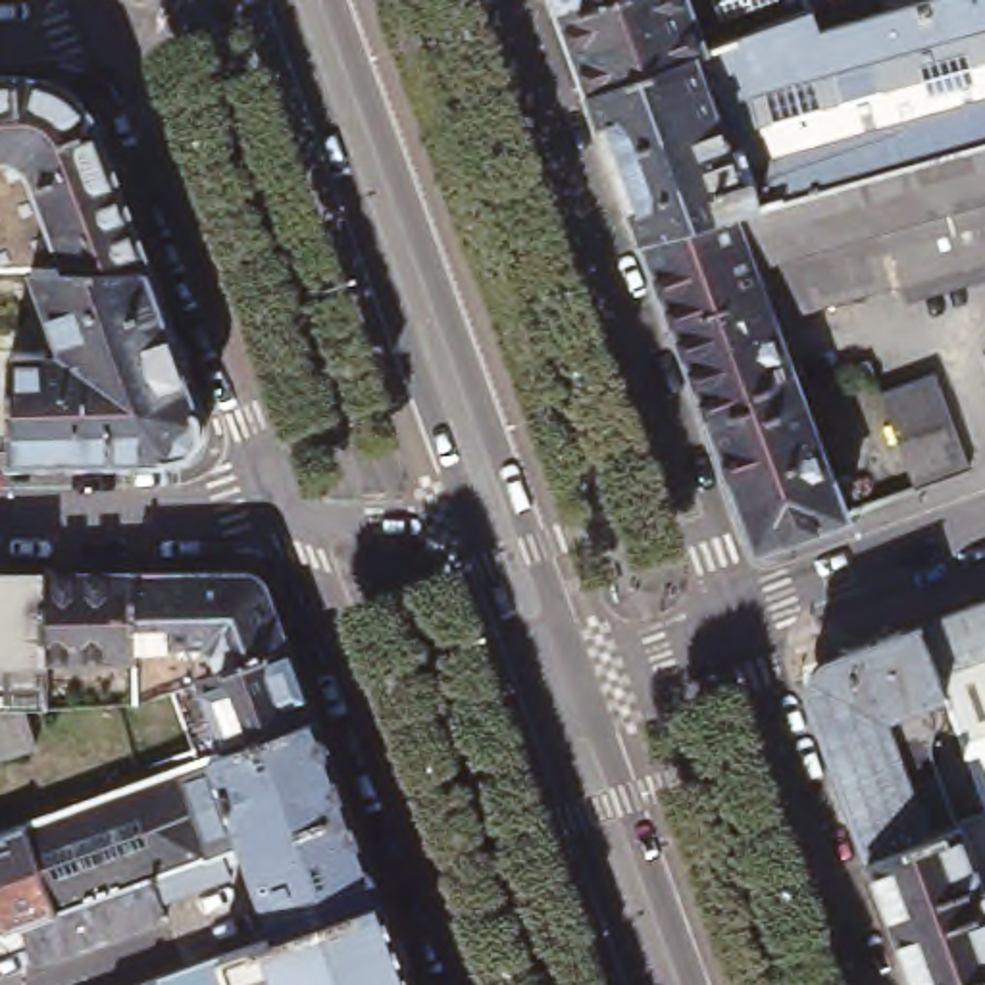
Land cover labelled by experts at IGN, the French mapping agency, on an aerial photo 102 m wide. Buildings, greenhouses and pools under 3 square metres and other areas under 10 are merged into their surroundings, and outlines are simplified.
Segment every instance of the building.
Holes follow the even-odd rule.
[[[846,870],[858,893],[866,893],[881,916],[881,923],[873,927],[873,947],[900,962],[900,985],[985,985],[985,881],[970,866],[966,850],[950,843],[923,843],[897,858],[873,862],[870,843],[912,796],[904,762],[893,743],[893,727],[904,727],[912,716],[950,712],[954,735],[966,743],[966,762],[977,762],[985,770],[985,604],[943,619],[954,654],[950,681],[935,677],[923,635],[908,631],[827,662],[820,669],[820,681],[800,689],[800,731],[816,731],[820,746],[827,750],[827,762],[820,762],[816,781],[827,789],[839,823],[854,839],[854,862]]]
[[[973,462],[958,450],[950,435],[939,385],[923,377],[889,392],[870,389],[858,400],[870,435],[858,450],[858,481],[843,489],[843,481],[827,469],[823,435],[812,416],[804,381],[796,366],[781,358],[785,331],[762,281],[770,262],[750,223],[731,227],[712,219],[712,200],[693,146],[704,139],[723,139],[731,150],[746,154],[754,196],[762,204],[800,200],[823,189],[843,189],[916,162],[985,146],[985,0],[550,0],[546,12],[566,15],[566,38],[581,65],[585,92],[596,108],[596,119],[585,127],[589,185],[604,212],[616,208],[623,215],[639,215],[635,231],[646,246],[658,296],[677,335],[677,342],[666,354],[673,358],[681,385],[696,385],[704,419],[723,450],[727,481],[754,550],[816,543],[816,531],[843,523],[843,512],[904,489],[931,489],[954,481],[970,473]]]
[[[246,650],[246,639],[262,623],[273,631],[273,643],[285,643],[285,619],[262,573],[115,569],[65,573],[46,581],[31,573],[0,577],[0,723],[27,720],[35,712],[46,712],[42,673],[58,673],[58,693],[69,689],[69,681],[112,685],[131,669],[135,658],[165,658],[165,646],[208,654],[208,669],[200,669],[200,693],[215,700],[212,720],[223,739],[212,743],[215,758],[189,758],[173,766],[0,831],[0,935],[15,931],[27,939],[54,920],[58,908],[73,908],[85,897],[108,889],[154,881],[162,877],[162,870],[185,866],[192,858],[212,858],[223,850],[239,854],[235,870],[246,877],[258,912],[319,904],[354,881],[362,889],[373,889],[373,877],[358,862],[358,843],[346,831],[339,793],[327,777],[327,754],[316,743],[316,735],[292,731],[285,739],[273,739],[262,727],[262,720],[277,708],[296,708],[304,693],[296,685],[292,662],[265,662]]]
[[[389,950],[389,931],[377,923],[377,916],[358,916],[350,923],[316,931],[308,939],[273,947],[254,958],[208,958],[146,985],[404,985],[396,954]]]
[[[42,92],[31,77],[8,77],[0,85],[0,254],[15,265],[31,265],[23,277],[23,300],[35,304],[35,319],[50,339],[35,354],[12,346],[4,366],[8,412],[23,416],[23,442],[15,442],[12,450],[27,473],[96,473],[104,454],[112,454],[119,466],[165,466],[177,435],[189,427],[189,419],[196,419],[196,396],[181,381],[169,346],[150,342],[150,331],[165,327],[165,312],[150,281],[150,262],[139,242],[131,242],[131,212],[115,208],[115,177],[104,173],[96,146],[81,142],[73,131],[77,112],[65,100]]]

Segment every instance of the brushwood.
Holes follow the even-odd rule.
[[[69,681],[69,689],[58,693],[58,673],[42,673],[46,712],[35,712],[27,720],[35,739],[38,727],[46,731],[58,723],[62,708],[112,708],[127,696],[112,685]]]

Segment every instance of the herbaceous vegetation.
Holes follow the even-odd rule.
[[[0,762],[0,831],[173,766],[173,754],[185,750],[185,735],[173,720],[173,700],[158,696],[139,700],[139,708],[131,708],[127,696],[112,708],[62,708],[58,723],[46,731],[38,727],[35,739],[27,754]]]

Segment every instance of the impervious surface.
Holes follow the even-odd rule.
[[[223,739],[212,720],[215,700],[200,693],[200,669],[208,669],[208,654],[165,646],[165,658],[135,658],[131,669],[112,685],[127,696],[131,708],[139,708],[139,700],[158,696],[173,700],[173,720],[185,735],[185,750],[173,754],[173,766],[189,758],[215,758],[212,743]]]
[[[327,777],[339,793],[346,831],[358,843],[358,862],[373,877],[373,889],[362,889],[354,881],[319,904],[258,912],[246,877],[235,870],[239,854],[223,850],[212,858],[192,858],[185,866],[162,870],[162,877],[154,881],[108,889],[85,897],[73,908],[58,908],[54,920],[27,939],[15,931],[0,935],[0,985],[146,985],[208,958],[254,958],[273,947],[308,939],[316,931],[350,923],[358,916],[377,916],[377,923],[389,931],[389,950],[396,954],[404,985],[473,985],[450,931],[450,908],[439,893],[439,866],[423,850],[423,839],[408,812],[408,796],[392,773],[381,727],[346,662],[331,612],[350,608],[358,596],[366,604],[381,604],[385,596],[400,593],[408,596],[412,589],[431,585],[439,577],[458,581],[477,619],[477,631],[485,635],[485,662],[500,708],[512,731],[519,735],[527,781],[546,820],[566,885],[581,908],[600,985],[723,985],[708,954],[700,912],[693,904],[693,893],[685,889],[677,850],[658,816],[658,789],[677,789],[681,781],[673,766],[650,762],[646,743],[662,735],[685,708],[704,704],[720,693],[739,693],[750,716],[758,758],[770,773],[785,835],[800,854],[808,893],[820,904],[827,954],[843,985],[900,985],[900,962],[873,947],[873,927],[881,923],[881,916],[866,893],[858,893],[846,870],[854,862],[854,839],[839,823],[827,789],[816,781],[820,762],[827,762],[827,750],[820,746],[816,731],[800,731],[800,689],[820,681],[820,669],[827,662],[908,631],[923,635],[935,677],[950,681],[954,654],[943,619],[985,604],[985,146],[916,162],[843,189],[823,189],[800,200],[762,204],[754,196],[746,154],[731,150],[723,139],[704,139],[693,146],[712,200],[712,219],[731,227],[750,223],[770,262],[762,281],[785,331],[781,358],[796,366],[804,381],[812,416],[823,435],[827,469],[843,481],[843,489],[858,481],[858,450],[870,435],[858,400],[870,389],[889,392],[923,377],[939,385],[950,435],[958,450],[973,462],[970,473],[954,481],[931,489],[904,489],[843,512],[843,523],[816,531],[816,543],[754,550],[727,481],[723,450],[704,419],[696,385],[681,385],[673,358],[666,354],[677,342],[677,335],[658,296],[646,246],[635,231],[639,215],[623,215],[616,208],[604,212],[589,185],[585,127],[596,119],[596,108],[585,92],[581,65],[566,38],[566,15],[546,12],[550,0],[477,0],[496,38],[531,150],[539,158],[543,185],[550,189],[550,200],[558,208],[558,223],[569,242],[577,277],[604,331],[604,346],[616,362],[616,373],[623,377],[627,404],[639,416],[639,427],[650,442],[650,462],[662,469],[666,508],[681,512],[677,527],[685,539],[685,554],[669,569],[635,573],[627,566],[608,589],[585,593],[569,550],[577,539],[589,539],[589,550],[596,554],[608,550],[612,562],[623,562],[623,546],[616,543],[616,531],[604,512],[600,477],[596,469],[585,469],[577,477],[581,504],[589,508],[589,531],[562,527],[558,519],[558,508],[531,454],[531,435],[512,392],[512,377],[493,339],[489,312],[454,242],[442,192],[419,146],[419,127],[404,100],[396,65],[385,50],[373,0],[0,0],[0,85],[8,77],[31,77],[42,92],[65,100],[77,112],[73,131],[81,142],[96,146],[104,173],[115,177],[115,208],[131,212],[131,242],[139,242],[150,262],[150,281],[165,312],[165,327],[150,331],[150,342],[169,346],[181,381],[196,396],[196,419],[189,419],[189,427],[177,435],[165,466],[119,466],[112,454],[104,454],[96,473],[27,473],[12,450],[15,442],[23,442],[23,416],[8,412],[4,366],[12,346],[35,354],[50,339],[35,319],[35,304],[23,300],[23,277],[31,265],[15,265],[0,254],[0,577],[31,573],[46,581],[65,573],[115,569],[262,573],[285,619],[285,643],[273,643],[273,631],[262,623],[246,639],[246,650],[265,662],[292,662],[296,685],[304,693],[296,708],[277,708],[262,720],[262,727],[273,739],[285,739],[292,731],[316,735],[316,743],[327,754]],[[396,450],[381,462],[358,458],[358,450],[350,446],[350,419],[316,431],[319,446],[327,454],[339,454],[339,489],[319,500],[308,500],[296,489],[292,450],[277,442],[273,423],[262,408],[262,385],[250,369],[246,346],[231,335],[227,296],[219,289],[181,165],[169,150],[162,112],[154,108],[146,85],[146,54],[154,54],[154,46],[165,35],[173,42],[200,35],[208,42],[215,81],[235,81],[254,69],[265,69],[273,77],[281,115],[296,142],[300,173],[312,185],[312,200],[323,204],[335,219],[323,223],[323,235],[350,285],[350,304],[362,316],[362,331],[385,389],[385,404],[400,412]]]
[[[912,796],[870,843],[873,862],[897,858],[923,843],[950,843],[966,850],[970,866],[985,881],[985,770],[977,762],[966,762],[966,743],[954,735],[950,712],[912,716],[904,727],[893,727],[893,743],[904,762]]]
[[[35,739],[27,720],[0,723],[0,762],[27,754]]]

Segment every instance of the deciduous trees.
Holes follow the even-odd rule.
[[[454,242],[489,312],[493,339],[512,377],[512,392],[531,435],[531,454],[558,508],[558,519],[562,527],[589,531],[589,508],[581,504],[577,477],[585,469],[596,469],[600,477],[604,512],[616,531],[616,543],[623,546],[623,562],[612,562],[608,550],[596,554],[589,550],[589,539],[577,539],[569,550],[585,593],[608,589],[627,566],[635,573],[669,569],[685,554],[685,539],[677,527],[681,512],[666,508],[662,469],[650,462],[650,442],[639,427],[639,416],[627,404],[623,377],[616,373],[616,362],[604,346],[604,331],[577,277],[569,242],[558,223],[558,208],[550,200],[550,189],[543,185],[539,158],[531,150],[496,38],[477,0],[373,0],[385,50],[396,65],[404,100],[419,127],[419,146],[442,192]]]
[[[581,908],[566,885],[546,820],[527,781],[519,735],[512,731],[500,708],[485,662],[485,635],[477,631],[477,619],[458,581],[439,577],[431,585],[412,589],[408,596],[400,593],[385,596],[381,604],[366,604],[358,596],[350,608],[331,612],[346,662],[381,727],[392,773],[408,796],[408,812],[423,839],[423,850],[439,866],[439,893],[450,908],[450,931],[473,985],[600,985]]]
[[[681,781],[677,789],[658,789],[658,816],[677,850],[685,889],[693,893],[693,904],[700,912],[708,954],[723,985],[843,985],[827,954],[820,904],[808,893],[800,854],[785,835],[770,773],[758,758],[750,716],[739,693],[720,693],[704,704],[685,708],[662,735],[646,743],[650,762],[673,766]]]
[[[146,85],[154,108],[162,112],[169,150],[181,165],[219,289],[227,296],[231,335],[246,346],[250,369],[262,385],[262,408],[273,423],[277,442],[292,450],[296,489],[308,500],[319,500],[339,489],[339,454],[327,454],[319,446],[316,431],[350,419],[350,446],[358,450],[358,458],[381,462],[396,450],[400,412],[385,404],[385,389],[362,331],[362,316],[350,304],[350,285],[323,235],[323,223],[335,219],[323,204],[312,200],[312,185],[300,173],[296,142],[281,115],[273,77],[265,69],[254,69],[235,81],[215,81],[208,42],[200,35],[173,42],[165,35],[154,46],[154,54],[146,54]]]

